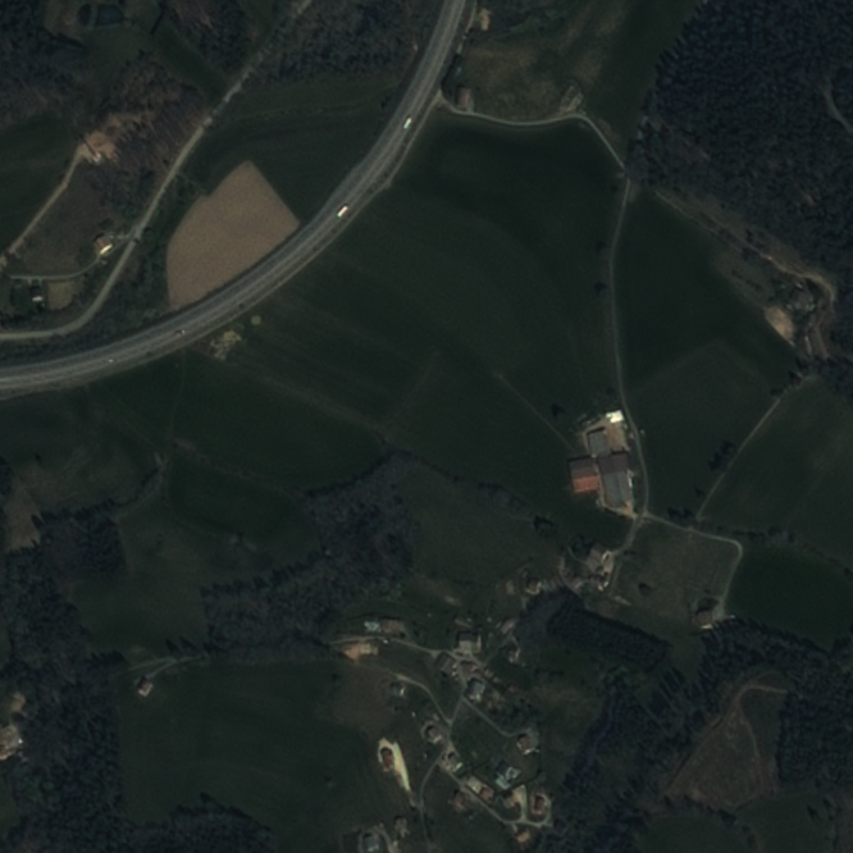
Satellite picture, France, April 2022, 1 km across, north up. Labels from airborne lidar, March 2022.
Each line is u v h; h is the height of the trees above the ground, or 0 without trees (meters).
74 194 0
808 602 0
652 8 0
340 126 0
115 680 11
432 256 0
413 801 0
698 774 0
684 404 0
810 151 27
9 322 12
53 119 0
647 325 0
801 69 12
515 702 0
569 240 0
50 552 20
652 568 0
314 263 0
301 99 0
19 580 19
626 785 0
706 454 0
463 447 0
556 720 0
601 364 0
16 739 0
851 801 21
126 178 25
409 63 12
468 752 0
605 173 0
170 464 0
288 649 24
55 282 0
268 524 0
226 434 0
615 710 19
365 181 0
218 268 0
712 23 21
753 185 22
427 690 0
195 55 0
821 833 0
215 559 0
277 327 0
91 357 0
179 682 0
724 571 0
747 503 0
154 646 0
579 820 7
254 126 0
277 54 14
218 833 18
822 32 22
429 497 0
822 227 26
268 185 0
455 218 0
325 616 9
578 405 0
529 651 19
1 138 0
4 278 7
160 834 16
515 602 0
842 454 0
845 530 0
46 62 26
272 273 0
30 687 22
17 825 0
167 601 0
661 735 27
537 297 0
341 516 22
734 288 0
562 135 0
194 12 20
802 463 0
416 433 0
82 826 26
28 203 0
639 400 0
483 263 0
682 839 0
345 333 0
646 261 0
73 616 25
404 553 19
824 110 17
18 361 10
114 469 0
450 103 0
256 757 0
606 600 0
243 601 18
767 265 21
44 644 13
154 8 0
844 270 25
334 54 13
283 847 0
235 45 16
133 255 0
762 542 13
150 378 0
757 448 0
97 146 0
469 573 0
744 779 0
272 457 0
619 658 28
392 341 0
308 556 0
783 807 0
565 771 0
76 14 0
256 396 0
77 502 0
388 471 14
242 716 0
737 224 0
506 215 0
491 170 0
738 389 0
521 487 0
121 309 7
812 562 0
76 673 24
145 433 0
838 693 16
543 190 0
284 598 9
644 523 0
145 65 13
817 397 0
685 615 0
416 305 0
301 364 0
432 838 7
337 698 0
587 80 0
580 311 0
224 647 27
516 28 0
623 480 0
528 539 0
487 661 0
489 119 0
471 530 0
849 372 21
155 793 0
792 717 12
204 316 0
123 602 0
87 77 24
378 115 0
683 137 24
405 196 0
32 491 0
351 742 0
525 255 0
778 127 26
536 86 0
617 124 0
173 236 0
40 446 0
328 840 0
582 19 0
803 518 0
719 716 24
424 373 0
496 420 0
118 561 25
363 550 19
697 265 0
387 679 0
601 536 0
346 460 0
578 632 30
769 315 0
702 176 23
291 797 0
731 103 25
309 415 0
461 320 0
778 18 25
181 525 0
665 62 0
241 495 0
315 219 0
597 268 0
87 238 0
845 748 26
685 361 0
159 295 0
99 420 0
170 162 26
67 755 24
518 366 0
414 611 0
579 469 0
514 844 6
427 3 9
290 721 0
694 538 0
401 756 0
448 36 0
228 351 0
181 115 27
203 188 0
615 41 0
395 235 0
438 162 0
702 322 0
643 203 0
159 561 0
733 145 26
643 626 0
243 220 0
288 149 0
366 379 0
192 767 0
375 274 0
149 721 0
